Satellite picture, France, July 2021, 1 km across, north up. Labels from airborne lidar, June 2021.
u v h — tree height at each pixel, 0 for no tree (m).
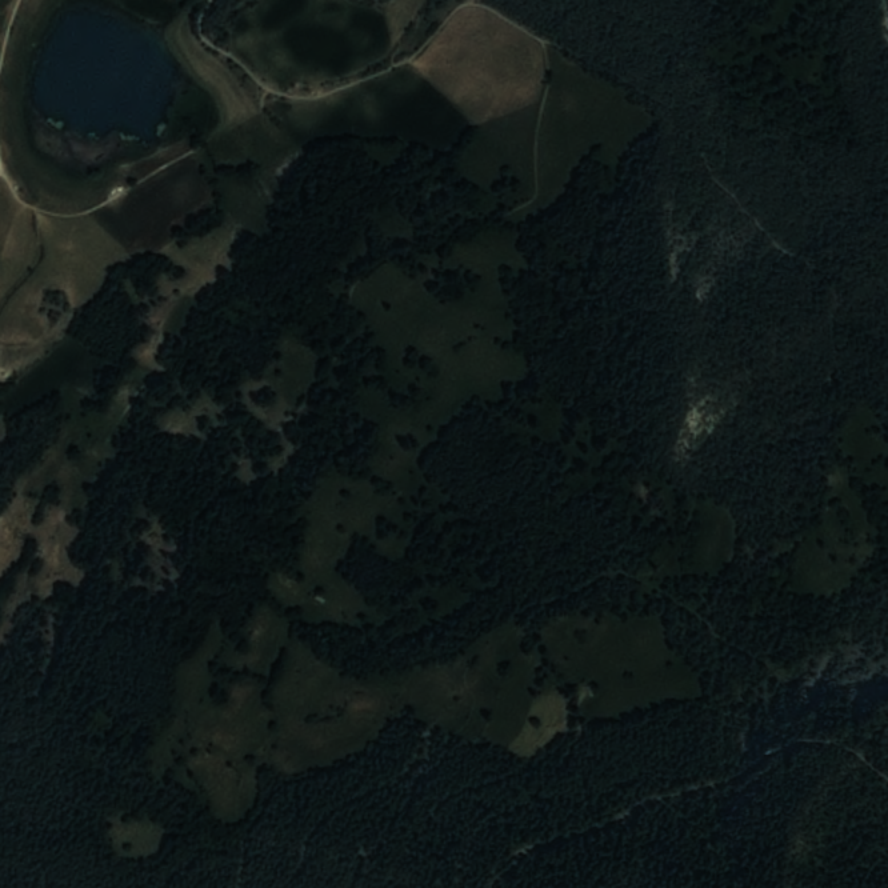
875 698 8
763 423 20
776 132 17
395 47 0
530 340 13
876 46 14
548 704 0
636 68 15
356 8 0
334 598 0
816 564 0
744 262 9
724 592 19
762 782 8
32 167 0
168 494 21
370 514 0
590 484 0
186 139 0
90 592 18
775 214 9
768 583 15
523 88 0
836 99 8
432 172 12
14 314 0
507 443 12
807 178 13
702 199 15
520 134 0
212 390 11
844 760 10
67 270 0
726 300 14
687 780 19
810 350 17
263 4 0
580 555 21
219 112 0
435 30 6
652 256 20
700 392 9
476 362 0
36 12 0
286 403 0
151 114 0
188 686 0
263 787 11
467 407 11
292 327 10
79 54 0
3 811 13
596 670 0
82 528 7
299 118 0
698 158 13
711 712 11
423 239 13
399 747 20
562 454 16
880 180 23
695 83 12
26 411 11
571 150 0
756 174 11
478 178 0
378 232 20
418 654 21
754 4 14
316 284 17
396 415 0
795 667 11
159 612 21
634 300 22
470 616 14
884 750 18
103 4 0
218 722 0
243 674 7
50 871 11
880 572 16
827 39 13
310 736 0
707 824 14
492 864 19
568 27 15
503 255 0
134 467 25
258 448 15
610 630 0
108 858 17
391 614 12
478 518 15
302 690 0
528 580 21
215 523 22
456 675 0
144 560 23
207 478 24
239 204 0
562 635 0
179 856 12
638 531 17
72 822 20
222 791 0
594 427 8
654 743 19
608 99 0
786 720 11
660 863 21
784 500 17
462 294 13
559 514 15
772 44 8
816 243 13
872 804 14
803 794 10
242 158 0
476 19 0
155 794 10
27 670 12
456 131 0
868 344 26
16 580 6
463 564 9
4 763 17
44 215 0
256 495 20
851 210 18
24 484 0
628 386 23
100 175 14
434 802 19
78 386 0
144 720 20
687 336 12
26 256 0
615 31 14
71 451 12
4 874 11
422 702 0
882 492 11
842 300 14
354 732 0
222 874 15
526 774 19
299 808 12
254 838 6
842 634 7
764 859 20
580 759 17
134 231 0
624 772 19
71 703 14
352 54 0
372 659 17
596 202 15
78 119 0
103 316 16
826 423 16
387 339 0
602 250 27
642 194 23
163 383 24
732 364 16
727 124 18
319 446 24
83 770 19
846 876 24
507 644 0
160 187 0
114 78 0
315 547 0
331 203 20
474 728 0
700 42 15
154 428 14
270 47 0
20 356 0
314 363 0
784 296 20
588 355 13
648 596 12
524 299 12
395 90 0
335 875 14
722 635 26
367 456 22
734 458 20
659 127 16
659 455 12
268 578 7
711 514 0
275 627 0
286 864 17
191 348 9
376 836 20
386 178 20
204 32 6
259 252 18
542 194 0
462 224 14
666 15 15
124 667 24
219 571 10
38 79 0
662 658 0
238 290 16
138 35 0
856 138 10
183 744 6
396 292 0
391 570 12
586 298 15
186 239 9
